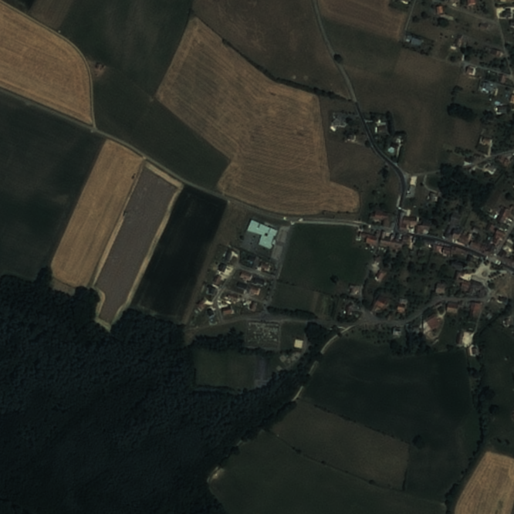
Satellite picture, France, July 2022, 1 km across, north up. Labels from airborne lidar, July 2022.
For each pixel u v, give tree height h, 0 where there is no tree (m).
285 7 0
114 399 17
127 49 0
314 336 15
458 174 16
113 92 0
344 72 0
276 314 11
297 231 0
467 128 0
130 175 0
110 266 0
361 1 0
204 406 24
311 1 0
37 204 0
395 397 0
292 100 0
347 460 0
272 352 10
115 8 0
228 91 0
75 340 19
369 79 0
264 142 0
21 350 25
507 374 0
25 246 0
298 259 0
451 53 0
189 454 19
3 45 0
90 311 25
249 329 0
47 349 27
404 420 0
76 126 0
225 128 0
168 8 0
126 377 23
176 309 0
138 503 21
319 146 0
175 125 0
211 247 0
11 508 31
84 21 0
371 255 0
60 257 0
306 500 0
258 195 0
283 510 0
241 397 12
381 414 0
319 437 0
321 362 12
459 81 0
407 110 0
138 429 26
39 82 0
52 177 0
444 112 0
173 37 0
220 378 0
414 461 0
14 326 27
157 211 0
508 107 8
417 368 0
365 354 0
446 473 0
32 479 20
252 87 0
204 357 0
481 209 6
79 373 23
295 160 0
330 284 0
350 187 0
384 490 0
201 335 0
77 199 0
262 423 17
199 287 0
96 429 19
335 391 0
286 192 0
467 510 0
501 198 0
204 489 15
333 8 0
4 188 0
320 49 0
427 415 0
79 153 0
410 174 0
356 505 0
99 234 0
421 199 0
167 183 0
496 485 0
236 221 0
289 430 0
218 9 0
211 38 0
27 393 29
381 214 0
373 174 0
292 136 0
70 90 0
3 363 25
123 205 0
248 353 12
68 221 0
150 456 20
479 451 11
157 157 0
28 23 0
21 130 0
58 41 0
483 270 0
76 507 18
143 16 0
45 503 17
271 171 0
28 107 0
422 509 0
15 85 0
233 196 0
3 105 0
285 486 0
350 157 0
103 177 0
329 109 0
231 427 25
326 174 0
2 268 0
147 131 0
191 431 17
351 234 0
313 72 0
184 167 0
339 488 0
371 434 0
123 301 0
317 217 0
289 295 0
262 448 0
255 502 0
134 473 18
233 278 0
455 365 0
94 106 0
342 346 0
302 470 0
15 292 18
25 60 0
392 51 0
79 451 18
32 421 22
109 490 16
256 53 0
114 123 0
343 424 0
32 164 0
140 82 0
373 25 0
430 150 0
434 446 0
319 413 0
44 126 0
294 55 0
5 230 0
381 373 0
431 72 0
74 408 22
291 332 0
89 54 0
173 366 16
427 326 0
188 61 0
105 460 16
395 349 13
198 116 0
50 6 0
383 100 0
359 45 0
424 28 0
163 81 0
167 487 21
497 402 0
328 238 0
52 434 18
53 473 18
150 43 0
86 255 0
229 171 0
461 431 0
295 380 22
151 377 24
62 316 18
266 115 0
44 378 27
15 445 23
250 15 0
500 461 0
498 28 0
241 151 0
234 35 0
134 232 0
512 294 0
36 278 0
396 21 0
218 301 0
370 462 0
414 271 16
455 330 0
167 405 28
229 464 12
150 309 0
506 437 0
